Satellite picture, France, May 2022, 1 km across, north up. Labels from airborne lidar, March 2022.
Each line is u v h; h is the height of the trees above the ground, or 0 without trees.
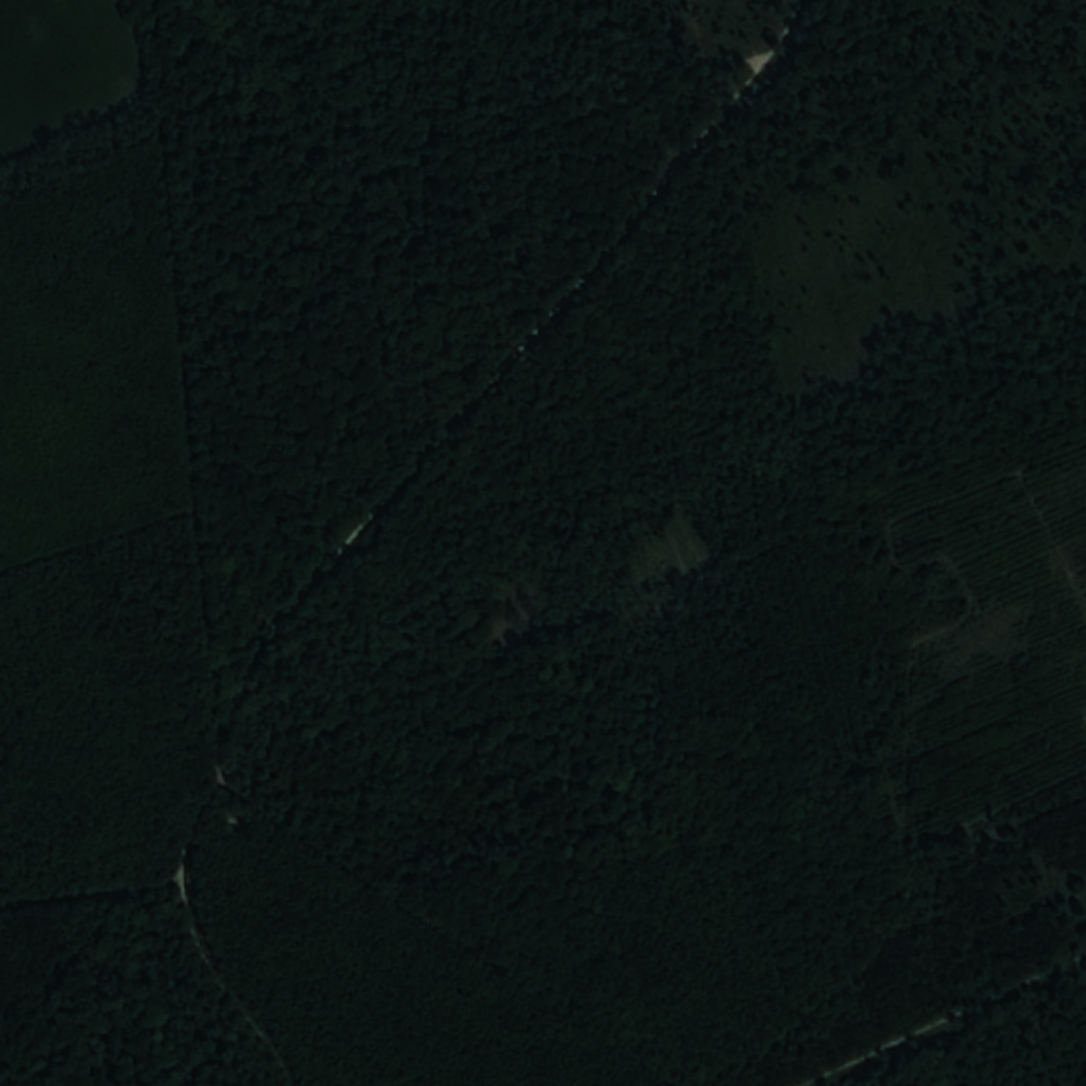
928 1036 0
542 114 25
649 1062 19
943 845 25
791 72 27
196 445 20
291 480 24
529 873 26
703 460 25
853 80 16
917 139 0
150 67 17
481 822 16
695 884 17
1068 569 0
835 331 0
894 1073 24
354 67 25
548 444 24
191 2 31
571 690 28
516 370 18
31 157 14
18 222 15
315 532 21
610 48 26
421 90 24
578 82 30
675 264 21
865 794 22
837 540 21
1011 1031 21
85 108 0
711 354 19
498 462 14
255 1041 16
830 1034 15
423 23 26
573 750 25
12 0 0
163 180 21
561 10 28
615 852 30
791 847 25
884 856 22
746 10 0
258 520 27
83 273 15
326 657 26
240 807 19
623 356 21
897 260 0
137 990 27
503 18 25
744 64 22
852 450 27
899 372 26
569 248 24
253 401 25
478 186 32
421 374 19
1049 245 17
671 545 0
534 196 31
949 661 0
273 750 20
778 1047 22
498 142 21
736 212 18
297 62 30
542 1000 17
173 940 26
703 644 19
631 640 15
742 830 25
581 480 24
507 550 25
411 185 28
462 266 28
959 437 23
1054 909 23
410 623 28
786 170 23
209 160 19
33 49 0
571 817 19
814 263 0
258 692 27
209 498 22
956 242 0
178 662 24
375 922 19
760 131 19
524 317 25
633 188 22
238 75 32
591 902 22
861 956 22
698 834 24
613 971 23
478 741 28
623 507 22
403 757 25
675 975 17
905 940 13
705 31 0
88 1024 30
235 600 26
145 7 16
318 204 26
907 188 0
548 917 27
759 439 27
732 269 23
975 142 23
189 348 13
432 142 28
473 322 23
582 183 25
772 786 24
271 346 27
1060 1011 19
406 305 23
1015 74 23
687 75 23
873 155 19
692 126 24
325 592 25
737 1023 18
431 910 26
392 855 18
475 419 20
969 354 28
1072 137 20
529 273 26
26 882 17
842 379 0
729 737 27
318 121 26
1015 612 0
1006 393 28
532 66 26
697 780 26
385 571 24
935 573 13
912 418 26
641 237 23
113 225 17
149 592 26
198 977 25
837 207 0
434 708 25
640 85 26
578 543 24
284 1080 15
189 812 23
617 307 24
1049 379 27
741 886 20
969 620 0
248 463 21
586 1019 21
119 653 22
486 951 26
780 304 0
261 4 32
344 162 31
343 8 23
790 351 0
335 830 22
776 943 21
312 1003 17
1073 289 30
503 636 0
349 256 26
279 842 18
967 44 23
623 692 24
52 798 23
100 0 0
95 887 14
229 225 23
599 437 21
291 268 26
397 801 29
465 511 23
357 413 24
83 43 0
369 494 22
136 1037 30
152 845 22
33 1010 21
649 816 31
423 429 22
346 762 24
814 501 24
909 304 0
